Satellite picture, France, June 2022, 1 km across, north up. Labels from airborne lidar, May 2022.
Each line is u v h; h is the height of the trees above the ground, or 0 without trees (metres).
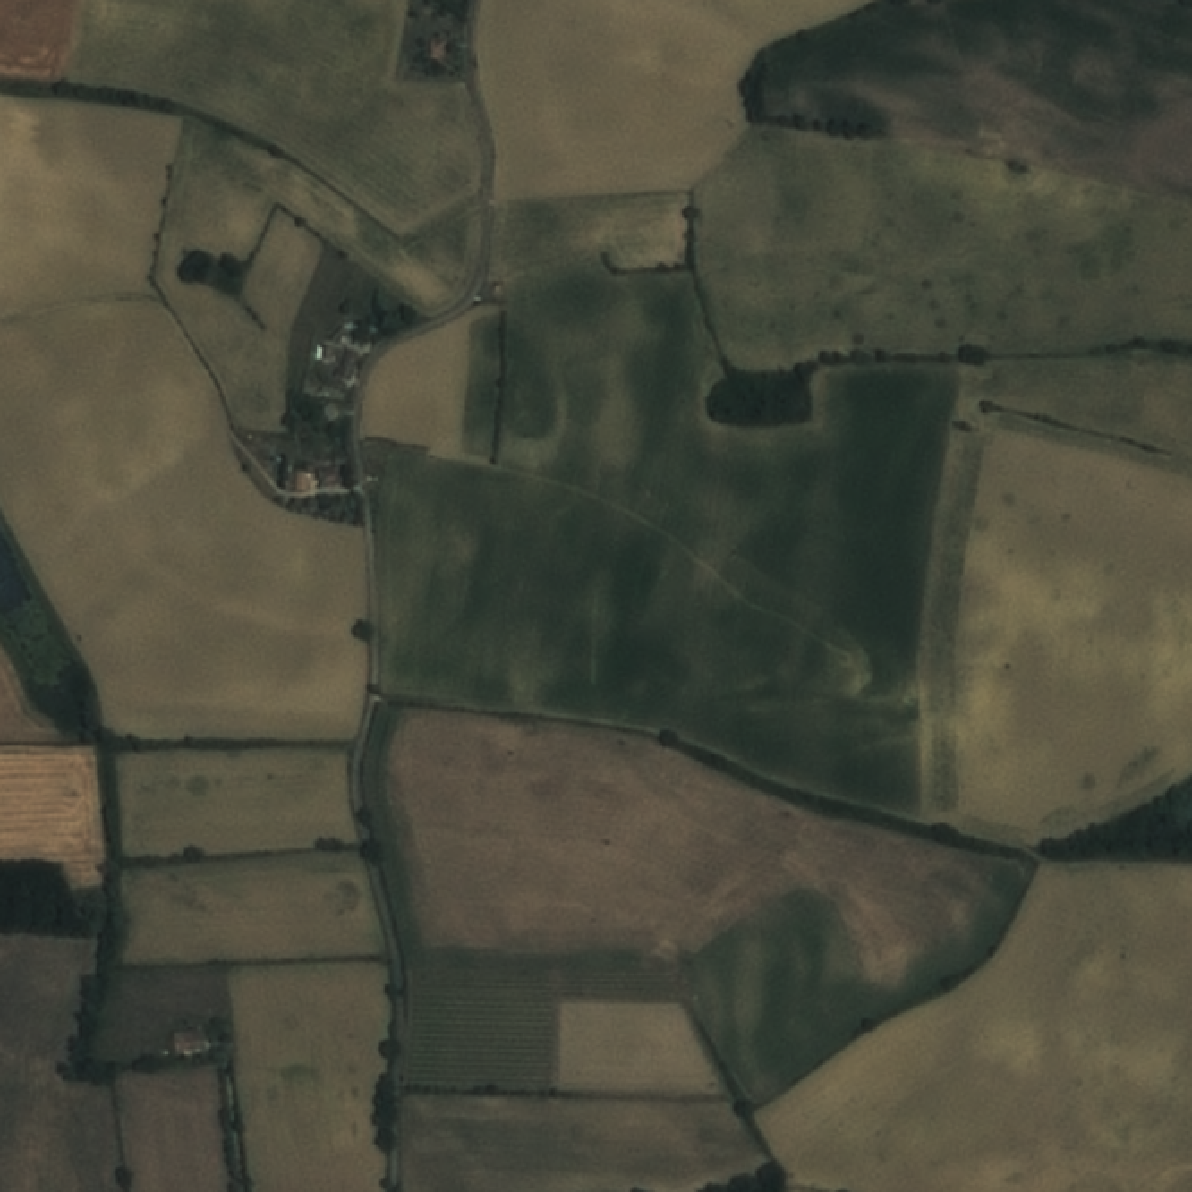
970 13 0
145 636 0
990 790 0
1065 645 0
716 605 0
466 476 0
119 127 0
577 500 0
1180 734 0
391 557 0
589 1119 0
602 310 0
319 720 0
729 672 0
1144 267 0
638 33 0
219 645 0
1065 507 0
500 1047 0
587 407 0
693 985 0
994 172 0
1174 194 0
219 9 0
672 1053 0
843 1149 0
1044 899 0
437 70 9
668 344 0
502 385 7
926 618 0
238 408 0
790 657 0
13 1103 0
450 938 0
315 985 0
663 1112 0
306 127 0
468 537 0
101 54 0
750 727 0
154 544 0
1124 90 0
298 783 0
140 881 0
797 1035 0
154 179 0
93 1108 0
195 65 0
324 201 0
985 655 0
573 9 0
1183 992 0
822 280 0
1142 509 0
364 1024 0
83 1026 18
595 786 0
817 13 0
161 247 0
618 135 0
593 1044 0
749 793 0
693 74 0
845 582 0
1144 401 0
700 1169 0
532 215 0
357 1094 0
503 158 0
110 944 12
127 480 0
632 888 0
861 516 0
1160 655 0
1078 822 0
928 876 0
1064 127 0
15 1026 0
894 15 0
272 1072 0
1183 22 0
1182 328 0
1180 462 0
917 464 0
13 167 0
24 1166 0
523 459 0
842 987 0
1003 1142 0
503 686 0
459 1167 0
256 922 0
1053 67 0
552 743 0
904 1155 0
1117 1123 0
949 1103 0
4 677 0
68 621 0
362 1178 0
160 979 0
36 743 0
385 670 0
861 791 0
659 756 0
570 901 0
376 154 0
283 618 0
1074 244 0
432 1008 0
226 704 0
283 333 0
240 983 0
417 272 0
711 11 0
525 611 0
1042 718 0
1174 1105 0
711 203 0
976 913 0
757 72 6
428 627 0
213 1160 0
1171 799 13
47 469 0
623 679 0
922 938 0
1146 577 0
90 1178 0
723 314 0
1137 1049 0
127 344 0
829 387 0
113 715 0
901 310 0
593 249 0
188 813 0
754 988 0
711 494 0
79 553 0
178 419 0
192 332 0
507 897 0
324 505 9
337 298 0
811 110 0
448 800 0
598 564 0
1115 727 0
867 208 0
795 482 0
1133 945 0
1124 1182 0
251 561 0
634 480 0
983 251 0
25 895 16
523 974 0
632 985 0
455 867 0
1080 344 0
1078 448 0
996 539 0
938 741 0
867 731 0
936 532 0
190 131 0
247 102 0
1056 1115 0
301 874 0
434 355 0
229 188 0
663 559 0
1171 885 0
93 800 0
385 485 0
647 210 0
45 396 0
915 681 0
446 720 0
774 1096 0
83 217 0
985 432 0
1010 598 0
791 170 0
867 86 0
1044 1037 0
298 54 0
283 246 0
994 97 0
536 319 0
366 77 0
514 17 0
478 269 0
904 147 0
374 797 0
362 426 0
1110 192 0
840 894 0
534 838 0
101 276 0
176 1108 0
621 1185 0
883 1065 0
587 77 0
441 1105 0
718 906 0
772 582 0
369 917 0
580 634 0
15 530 0
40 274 0
